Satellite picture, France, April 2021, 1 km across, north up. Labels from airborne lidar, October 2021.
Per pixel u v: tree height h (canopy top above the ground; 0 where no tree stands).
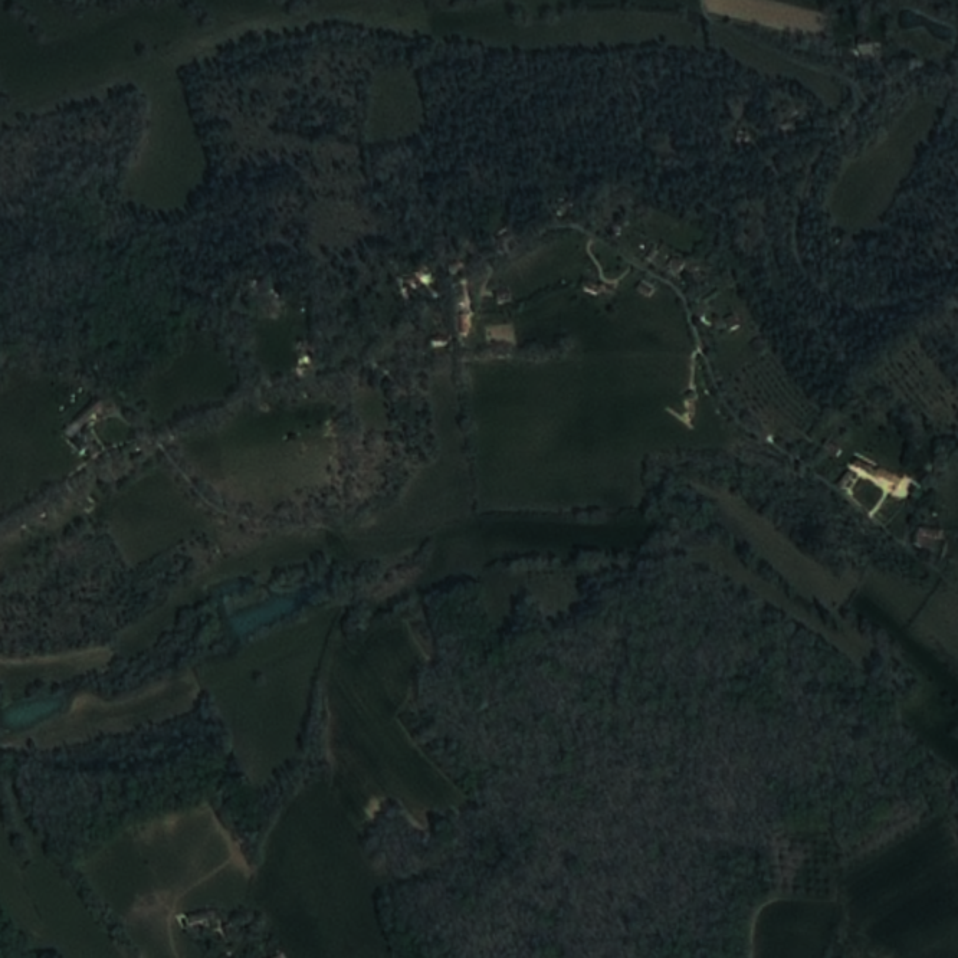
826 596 0
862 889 0
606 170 12
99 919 14
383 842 18
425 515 0
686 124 11
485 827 24
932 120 0
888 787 24
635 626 22
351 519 6
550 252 0
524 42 0
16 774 14
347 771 0
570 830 17
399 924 19
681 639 23
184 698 0
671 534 11
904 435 14
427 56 19
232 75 15
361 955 0
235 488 0
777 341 11
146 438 17
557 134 11
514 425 0
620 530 0
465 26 0
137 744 9
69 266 21
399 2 0
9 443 0
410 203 16
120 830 14
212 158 17
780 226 13
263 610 0
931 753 14
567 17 14
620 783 22
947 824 0
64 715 0
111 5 7
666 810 19
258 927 12
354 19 0
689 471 19
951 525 0
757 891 11
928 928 0
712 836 22
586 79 11
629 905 21
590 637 21
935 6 12
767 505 15
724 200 10
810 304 15
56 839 22
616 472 0
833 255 16
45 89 0
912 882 0
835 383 7
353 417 12
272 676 0
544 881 23
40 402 0
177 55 0
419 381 14
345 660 0
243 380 13
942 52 0
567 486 0
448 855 24
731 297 0
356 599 14
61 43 0
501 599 0
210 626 22
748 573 19
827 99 0
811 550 21
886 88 12
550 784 21
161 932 0
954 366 17
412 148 15
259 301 15
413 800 0
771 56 0
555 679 20
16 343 21
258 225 14
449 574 0
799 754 24
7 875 0
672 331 0
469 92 11
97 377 11
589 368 0
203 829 0
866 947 0
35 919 0
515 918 22
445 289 12
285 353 0
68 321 17
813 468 12
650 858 25
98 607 10
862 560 13
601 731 17
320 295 17
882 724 26
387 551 0
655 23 0
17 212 12
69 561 16
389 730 0
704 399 0
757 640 24
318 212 0
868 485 0
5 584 16
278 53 8
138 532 0
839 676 24
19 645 11
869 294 20
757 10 0
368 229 10
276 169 13
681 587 23
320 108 8
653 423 0
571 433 0
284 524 18
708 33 10
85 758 6
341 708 0
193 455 0
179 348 19
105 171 17
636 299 0
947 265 15
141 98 15
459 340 8
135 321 26
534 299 5
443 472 0
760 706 22
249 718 0
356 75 6
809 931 0
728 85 10
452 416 0
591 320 0
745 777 23
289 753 0
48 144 9
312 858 0
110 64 0
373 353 15
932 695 0
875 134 18
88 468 11
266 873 0
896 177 0
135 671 8
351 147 14
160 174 0
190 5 9
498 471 0
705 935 22
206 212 14
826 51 15
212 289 22
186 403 0
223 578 0
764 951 0
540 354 16
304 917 0
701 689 22
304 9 21
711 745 23
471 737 24
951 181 7
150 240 21
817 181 6
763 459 13
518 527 0
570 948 18
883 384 7
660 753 17
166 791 23
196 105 12
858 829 22
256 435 0
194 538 7
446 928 20
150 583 14
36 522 14
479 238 11
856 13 12
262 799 14
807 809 18
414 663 0
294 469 0
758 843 19
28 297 18
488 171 16
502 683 18
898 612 0
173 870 0
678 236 0
